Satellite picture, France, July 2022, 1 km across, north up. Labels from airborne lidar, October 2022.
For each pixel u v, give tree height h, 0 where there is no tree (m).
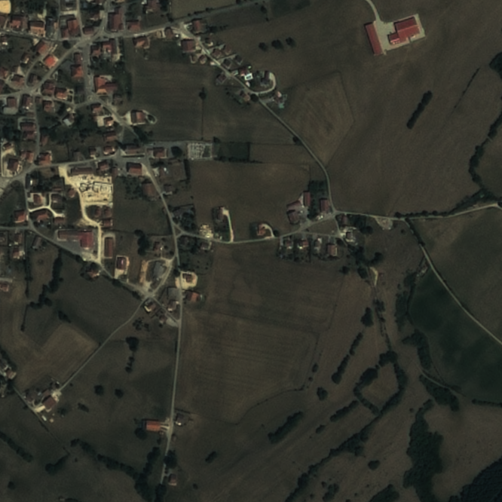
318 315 0
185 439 0
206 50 0
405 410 0
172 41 0
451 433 0
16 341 0
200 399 0
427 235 0
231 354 0
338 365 0
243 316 0
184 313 0
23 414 0
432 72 0
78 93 0
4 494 0
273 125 0
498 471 17
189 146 0
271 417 0
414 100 0
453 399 13
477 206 0
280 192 0
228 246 0
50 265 0
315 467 11
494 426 0
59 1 0
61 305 0
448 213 9
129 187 6
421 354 12
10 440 12
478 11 0
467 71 0
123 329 0
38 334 0
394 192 0
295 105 0
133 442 0
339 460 0
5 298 0
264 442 0
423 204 0
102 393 15
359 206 0
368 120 0
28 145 0
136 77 0
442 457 0
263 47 17
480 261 0
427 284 0
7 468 0
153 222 0
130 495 0
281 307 0
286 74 0
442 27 0
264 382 0
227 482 0
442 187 0
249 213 0
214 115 0
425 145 0
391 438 0
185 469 0
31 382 0
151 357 0
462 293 0
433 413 0
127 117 0
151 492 18
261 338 0
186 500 0
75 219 0
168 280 0
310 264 0
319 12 0
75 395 0
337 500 0
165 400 0
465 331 0
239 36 0
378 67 0
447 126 0
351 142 0
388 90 0
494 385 0
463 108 0
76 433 0
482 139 0
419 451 7
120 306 0
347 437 0
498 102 0
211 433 0
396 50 0
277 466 0
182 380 0
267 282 0
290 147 0
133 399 0
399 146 0
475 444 0
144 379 0
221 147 0
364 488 0
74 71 0
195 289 0
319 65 0
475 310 0
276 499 0
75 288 0
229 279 0
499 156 0
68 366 0
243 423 0
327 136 0
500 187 0
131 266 0
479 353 0
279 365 0
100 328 0
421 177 0
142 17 0
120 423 0
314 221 0
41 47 0
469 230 0
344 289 0
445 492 0
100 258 0
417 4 0
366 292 0
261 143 0
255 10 0
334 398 0
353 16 0
